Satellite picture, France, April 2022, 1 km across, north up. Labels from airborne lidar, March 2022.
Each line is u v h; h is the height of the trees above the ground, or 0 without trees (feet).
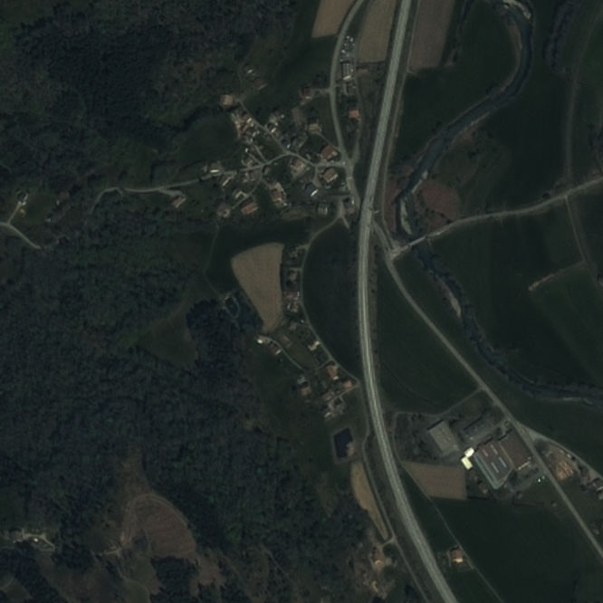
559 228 0
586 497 0
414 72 0
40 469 21
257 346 0
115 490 90
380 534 0
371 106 0
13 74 75
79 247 94
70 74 107
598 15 0
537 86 0
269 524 91
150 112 70
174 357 0
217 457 75
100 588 0
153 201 0
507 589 0
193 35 37
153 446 69
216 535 57
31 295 32
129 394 25
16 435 53
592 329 0
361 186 0
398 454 0
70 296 24
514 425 0
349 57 0
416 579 0
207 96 30
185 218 53
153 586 0
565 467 0
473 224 0
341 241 0
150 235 91
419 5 0
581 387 35
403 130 0
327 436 0
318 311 0
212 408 35
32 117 31
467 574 0
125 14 67
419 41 0
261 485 95
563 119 0
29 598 0
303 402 0
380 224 0
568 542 0
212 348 84
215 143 0
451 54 0
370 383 0
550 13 0
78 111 90
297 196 0
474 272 0
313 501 31
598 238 0
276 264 0
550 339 0
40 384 45
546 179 0
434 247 0
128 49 105
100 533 0
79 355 52
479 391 0
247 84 0
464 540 0
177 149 56
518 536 0
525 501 0
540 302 0
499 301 0
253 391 71
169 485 63
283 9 86
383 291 0
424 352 0
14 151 32
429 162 0
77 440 75
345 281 0
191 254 0
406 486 0
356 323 0
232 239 0
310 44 0
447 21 0
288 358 0
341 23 0
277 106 0
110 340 37
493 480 0
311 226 40
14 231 0
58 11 50
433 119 0
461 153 0
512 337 0
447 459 0
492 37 0
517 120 0
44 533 0
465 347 0
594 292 0
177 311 64
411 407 0
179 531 0
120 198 68
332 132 0
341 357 0
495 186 0
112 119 114
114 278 95
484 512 0
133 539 0
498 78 0
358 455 0
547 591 0
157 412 66
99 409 60
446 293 34
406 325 0
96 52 117
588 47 0
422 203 27
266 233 0
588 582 0
